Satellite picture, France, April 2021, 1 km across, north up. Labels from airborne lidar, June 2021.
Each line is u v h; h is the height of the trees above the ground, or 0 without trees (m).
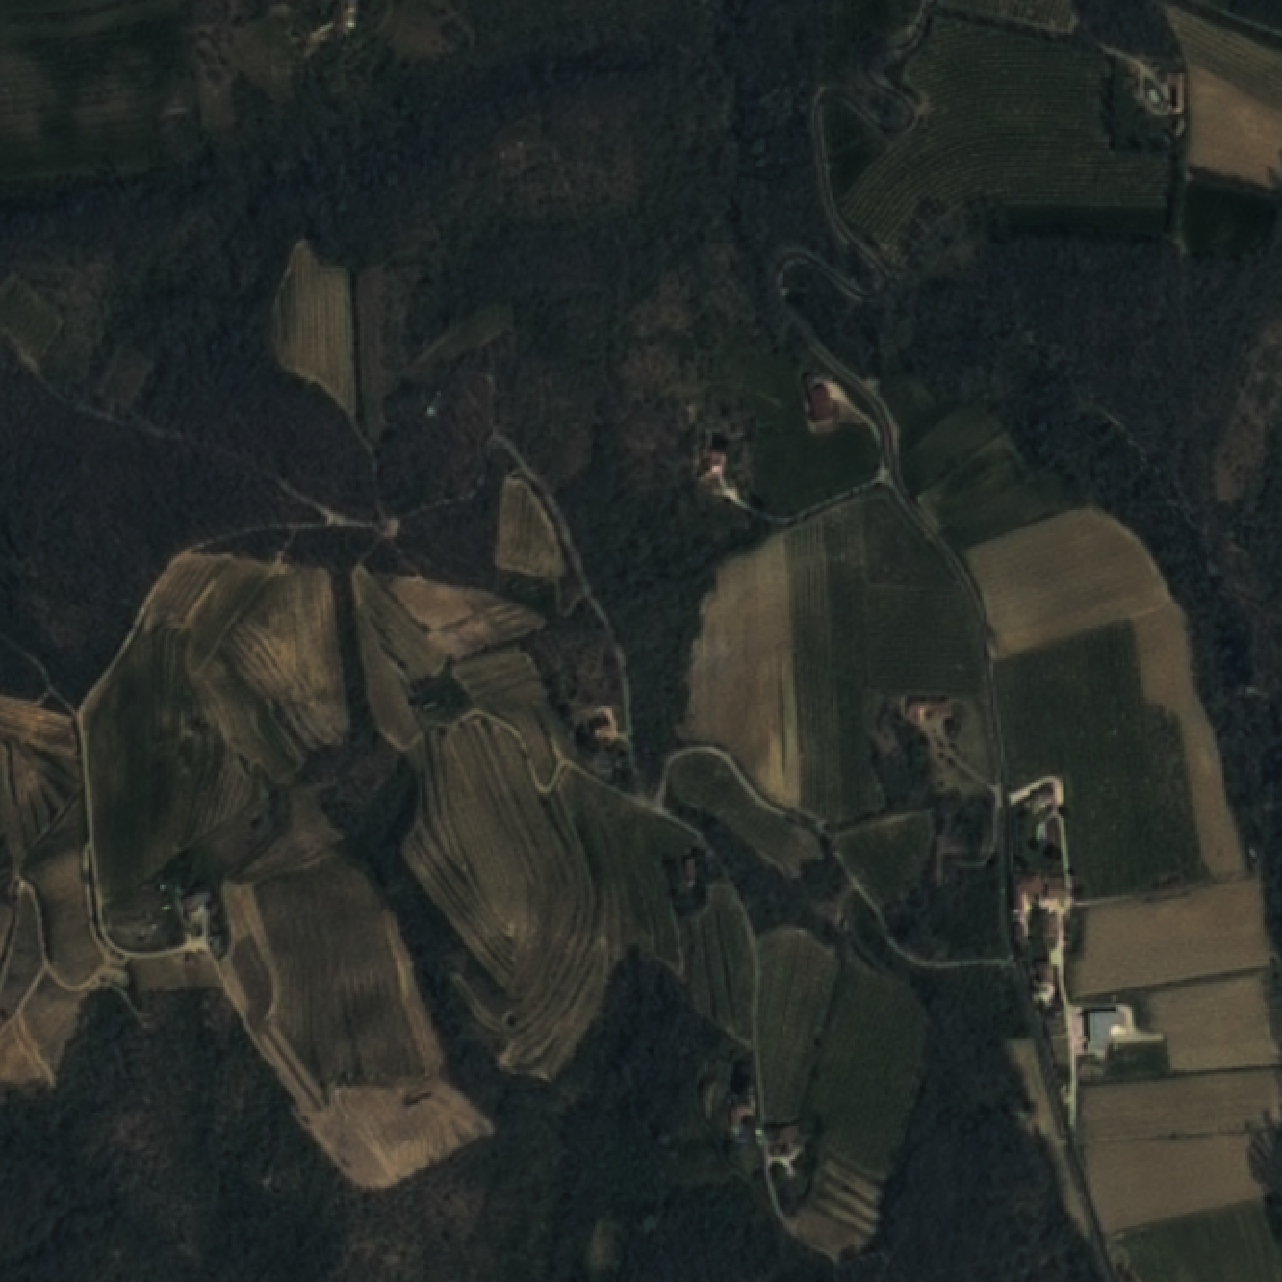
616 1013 17
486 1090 18
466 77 17
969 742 0
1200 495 14
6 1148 25
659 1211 10
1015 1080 24
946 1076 14
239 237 17
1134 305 16
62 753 0
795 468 0
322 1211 8
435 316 7
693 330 6
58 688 17
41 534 16
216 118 0
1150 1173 0
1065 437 15
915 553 0
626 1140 15
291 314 0
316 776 6
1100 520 0
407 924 17
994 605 0
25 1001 0
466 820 0
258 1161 7
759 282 26
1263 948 0
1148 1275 0
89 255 9
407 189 15
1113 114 18
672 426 11
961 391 35
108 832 0
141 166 0
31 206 5
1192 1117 0
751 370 0
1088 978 0
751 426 10
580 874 0
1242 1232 0
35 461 21
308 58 8
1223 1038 0
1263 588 13
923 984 8
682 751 9
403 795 6
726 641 0
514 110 11
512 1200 13
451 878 0
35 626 19
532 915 0
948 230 34
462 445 14
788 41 22
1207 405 16
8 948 0
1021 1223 9
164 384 16
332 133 15
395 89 14
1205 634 19
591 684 6
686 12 8
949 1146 20
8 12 0
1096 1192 0
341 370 0
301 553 14
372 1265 6
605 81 17
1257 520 10
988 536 0
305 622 0
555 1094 19
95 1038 9
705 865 10
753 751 0
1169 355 15
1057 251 14
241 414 21
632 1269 15
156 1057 6
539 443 8
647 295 8
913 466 0
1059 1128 0
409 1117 0
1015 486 0
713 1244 11
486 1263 12
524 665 0
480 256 18
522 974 0
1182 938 0
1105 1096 0
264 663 0
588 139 12
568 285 11
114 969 0
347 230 14
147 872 0
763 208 26
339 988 0
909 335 25
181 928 9
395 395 10
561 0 12
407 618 0
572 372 7
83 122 0
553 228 15
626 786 17
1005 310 23
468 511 15
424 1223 6
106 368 16
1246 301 13
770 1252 14
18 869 0
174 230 9
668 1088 20
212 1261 16
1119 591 0
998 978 0
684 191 11
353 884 0
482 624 0
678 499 11
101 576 18
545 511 9
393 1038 0
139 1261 8
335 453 17
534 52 14
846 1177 0
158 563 15
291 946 0
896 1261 16
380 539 11
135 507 18
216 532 18
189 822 0
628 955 9
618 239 20
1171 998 0
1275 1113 0
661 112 12
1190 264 10
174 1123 8
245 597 0
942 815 11
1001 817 0
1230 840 0
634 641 12
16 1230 9
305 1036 0
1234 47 0
